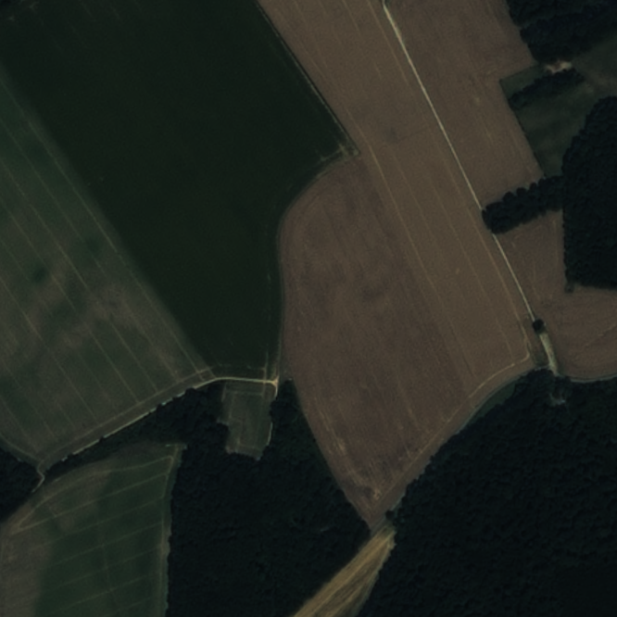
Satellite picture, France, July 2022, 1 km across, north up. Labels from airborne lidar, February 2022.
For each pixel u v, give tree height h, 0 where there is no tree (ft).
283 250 0
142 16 0
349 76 0
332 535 49
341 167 0
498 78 0
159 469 0
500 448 47
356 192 0
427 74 0
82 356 0
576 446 57
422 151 0
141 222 0
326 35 0
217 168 0
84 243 0
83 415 0
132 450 0
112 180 0
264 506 71
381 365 0
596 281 52
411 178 0
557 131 0
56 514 0
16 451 0
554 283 0
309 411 0
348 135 0
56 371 0
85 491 0
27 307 0
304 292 0
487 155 0
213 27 0
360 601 0
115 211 0
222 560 94
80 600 0
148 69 0
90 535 0
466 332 0
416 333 0
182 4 0
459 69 0
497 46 0
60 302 0
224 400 0
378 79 0
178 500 77
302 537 53
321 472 22
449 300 0
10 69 0
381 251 0
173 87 0
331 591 0
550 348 0
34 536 0
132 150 0
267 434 0
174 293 0
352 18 0
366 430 0
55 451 0
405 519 48
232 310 0
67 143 0
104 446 32
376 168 0
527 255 0
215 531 88
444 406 0
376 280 0
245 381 0
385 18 0
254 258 0
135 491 0
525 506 46
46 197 0
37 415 0
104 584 0
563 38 86
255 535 83
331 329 0
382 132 0
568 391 74
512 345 0
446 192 0
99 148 0
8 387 0
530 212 62
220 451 63
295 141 0
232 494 83
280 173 0
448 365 0
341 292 0
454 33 0
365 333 0
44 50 0
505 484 70
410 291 0
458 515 40
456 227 0
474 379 0
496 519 36
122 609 0
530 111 0
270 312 0
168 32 0
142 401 0
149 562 0
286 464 43
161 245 0
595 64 0
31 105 0
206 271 0
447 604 64
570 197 52
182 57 0
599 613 35
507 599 75
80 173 0
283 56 0
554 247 0
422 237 0
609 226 47
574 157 65
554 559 54
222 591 87
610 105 54
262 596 72
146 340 0
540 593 38
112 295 0
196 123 0
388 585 58
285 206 0
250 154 0
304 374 0
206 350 0
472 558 36
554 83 73
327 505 52
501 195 0
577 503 73
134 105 0
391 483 0
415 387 0
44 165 0
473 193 0
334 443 0
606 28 95
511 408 65
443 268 0
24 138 0
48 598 0
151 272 0
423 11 0
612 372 0
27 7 0
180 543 54
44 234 0
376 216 0
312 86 0
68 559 0
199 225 0
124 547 0
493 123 0
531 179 0
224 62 0
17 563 0
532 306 0
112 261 0
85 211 0
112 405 0
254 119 0
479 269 0
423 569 64
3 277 0
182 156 0
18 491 69
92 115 0
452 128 0
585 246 72
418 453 0
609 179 63
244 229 0
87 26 0
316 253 0
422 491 66
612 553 64
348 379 0
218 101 0
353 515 51
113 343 0
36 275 0
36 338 0
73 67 0
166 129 0
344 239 0
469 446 54
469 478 40
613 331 0
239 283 0
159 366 0
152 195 0
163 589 0
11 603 0
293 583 74
